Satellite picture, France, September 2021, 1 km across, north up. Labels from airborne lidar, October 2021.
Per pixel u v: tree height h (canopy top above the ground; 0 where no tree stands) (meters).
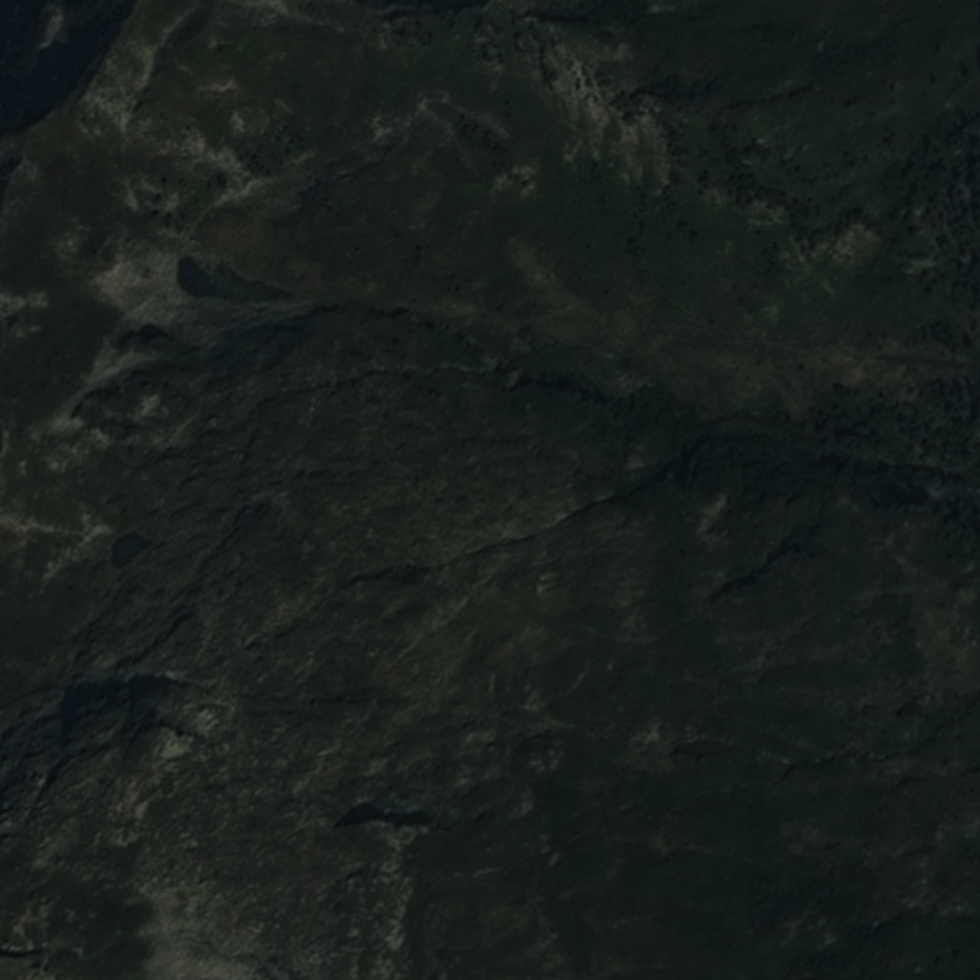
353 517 0
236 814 0
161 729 11
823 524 0
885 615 0
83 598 0
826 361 0
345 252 0
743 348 0
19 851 0
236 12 0
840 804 0
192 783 0
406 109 0
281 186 0
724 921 0
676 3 0
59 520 0
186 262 0
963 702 0
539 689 0
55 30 0
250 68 0
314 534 0
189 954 0
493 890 0
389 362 0
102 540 0
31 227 0
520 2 0
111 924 0
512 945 0
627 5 5
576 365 0
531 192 0
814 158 0
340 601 0
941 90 0
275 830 0
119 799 0
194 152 0
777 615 0
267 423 0
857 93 0
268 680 0
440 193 0
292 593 0
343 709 0
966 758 0
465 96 0
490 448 0
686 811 0
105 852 0
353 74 0
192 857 0
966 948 0
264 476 0
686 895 0
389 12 0
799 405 0
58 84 0
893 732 0
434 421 0
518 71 0
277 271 0
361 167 0
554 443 0
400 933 0
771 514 0
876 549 0
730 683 0
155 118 0
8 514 0
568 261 0
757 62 0
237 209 0
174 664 0
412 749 0
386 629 0
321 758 0
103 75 0
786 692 0
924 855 0
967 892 0
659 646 0
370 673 0
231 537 0
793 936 0
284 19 0
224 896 0
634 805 0
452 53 0
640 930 0
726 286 0
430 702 0
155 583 0
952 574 0
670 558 0
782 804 0
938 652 0
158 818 0
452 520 0
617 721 0
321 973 0
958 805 0
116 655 0
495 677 0
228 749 0
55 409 0
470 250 0
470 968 0
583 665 0
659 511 0
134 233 0
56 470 0
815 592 0
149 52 0
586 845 0
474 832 0
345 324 0
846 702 0
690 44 0
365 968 0
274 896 0
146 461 0
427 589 0
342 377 0
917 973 0
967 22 0
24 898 0
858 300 0
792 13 0
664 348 0
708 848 0
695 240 12
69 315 0
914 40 0
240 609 0
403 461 0
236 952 0
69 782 0
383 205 0
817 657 0
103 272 0
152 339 6
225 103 0
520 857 0
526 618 0
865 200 0
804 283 0
